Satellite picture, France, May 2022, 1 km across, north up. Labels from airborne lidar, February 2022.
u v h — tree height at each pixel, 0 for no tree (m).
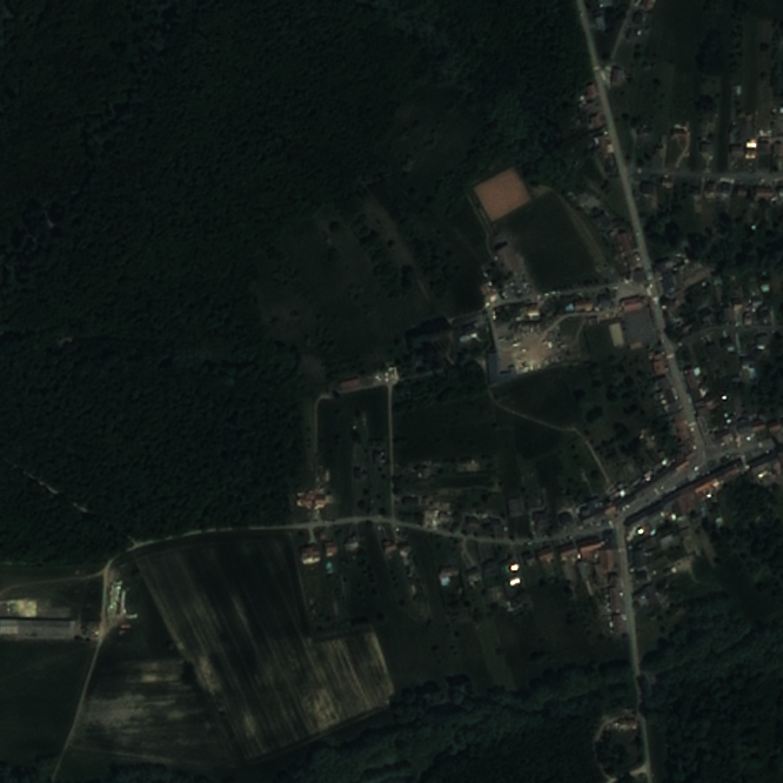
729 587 0
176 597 0
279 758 0
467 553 0
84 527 20
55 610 0
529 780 16
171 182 17
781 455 0
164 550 0
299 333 0
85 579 0
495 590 0
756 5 0
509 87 29
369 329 0
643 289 0
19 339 25
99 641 0
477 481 0
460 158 0
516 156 17
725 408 0
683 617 0
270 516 15
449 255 8
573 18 17
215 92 14
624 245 0
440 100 0
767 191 0
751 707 24
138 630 0
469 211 0
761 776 22
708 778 30
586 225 0
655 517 0
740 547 10
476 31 20
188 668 0
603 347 0
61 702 0
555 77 16
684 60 0
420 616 0
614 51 0
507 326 0
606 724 0
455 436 0
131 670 0
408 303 0
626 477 0
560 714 23
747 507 7
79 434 24
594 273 0
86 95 12
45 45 10
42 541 18
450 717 22
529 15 18
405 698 9
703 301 0
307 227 0
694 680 31
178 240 16
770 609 0
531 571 0
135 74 31
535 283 0
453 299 0
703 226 0
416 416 0
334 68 19
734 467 0
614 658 0
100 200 17
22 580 0
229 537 0
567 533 0
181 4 28
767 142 0
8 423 23
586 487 0
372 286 0
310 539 0
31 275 20
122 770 15
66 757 0
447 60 23
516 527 0
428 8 20
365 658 0
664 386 0
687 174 0
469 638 0
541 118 11
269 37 21
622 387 11
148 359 17
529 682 0
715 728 28
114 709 0
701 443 0
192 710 0
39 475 18
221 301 13
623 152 0
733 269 19
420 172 0
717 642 26
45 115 6
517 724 24
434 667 0
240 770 0
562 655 0
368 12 19
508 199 0
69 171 11
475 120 0
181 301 21
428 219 0
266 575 0
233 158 22
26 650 0
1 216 10
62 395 23
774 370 7
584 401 16
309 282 0
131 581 0
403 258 0
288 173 18
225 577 0
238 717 0
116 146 20
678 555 0
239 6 17
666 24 0
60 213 31
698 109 17
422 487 0
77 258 23
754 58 0
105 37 14
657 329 0
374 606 0
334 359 0
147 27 30
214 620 0
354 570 0
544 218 0
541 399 0
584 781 13
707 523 15
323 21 24
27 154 11
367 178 20
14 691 0
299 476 16
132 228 22
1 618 0
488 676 0
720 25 0
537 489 0
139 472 24
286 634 0
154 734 0
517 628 0
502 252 0
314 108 18
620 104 0
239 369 17
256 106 21
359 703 0
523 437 0
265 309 0
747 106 0
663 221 10
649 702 19
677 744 25
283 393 18
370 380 0
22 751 0
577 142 0
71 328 19
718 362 0
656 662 21
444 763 21
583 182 0
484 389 8
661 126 0
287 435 23
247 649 0
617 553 0
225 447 17
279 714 0
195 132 15
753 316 0
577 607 0
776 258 20
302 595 0
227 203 20
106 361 22
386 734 17
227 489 23
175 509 21
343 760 26
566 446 0
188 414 20
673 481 0
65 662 0
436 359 22
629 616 0
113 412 25
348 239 0
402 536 0
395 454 0
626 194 0
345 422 0
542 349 0
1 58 6
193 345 23
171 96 22
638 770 0
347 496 0
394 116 13
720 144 0
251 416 22
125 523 20
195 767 0
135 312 20
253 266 13
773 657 23
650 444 0
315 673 0
